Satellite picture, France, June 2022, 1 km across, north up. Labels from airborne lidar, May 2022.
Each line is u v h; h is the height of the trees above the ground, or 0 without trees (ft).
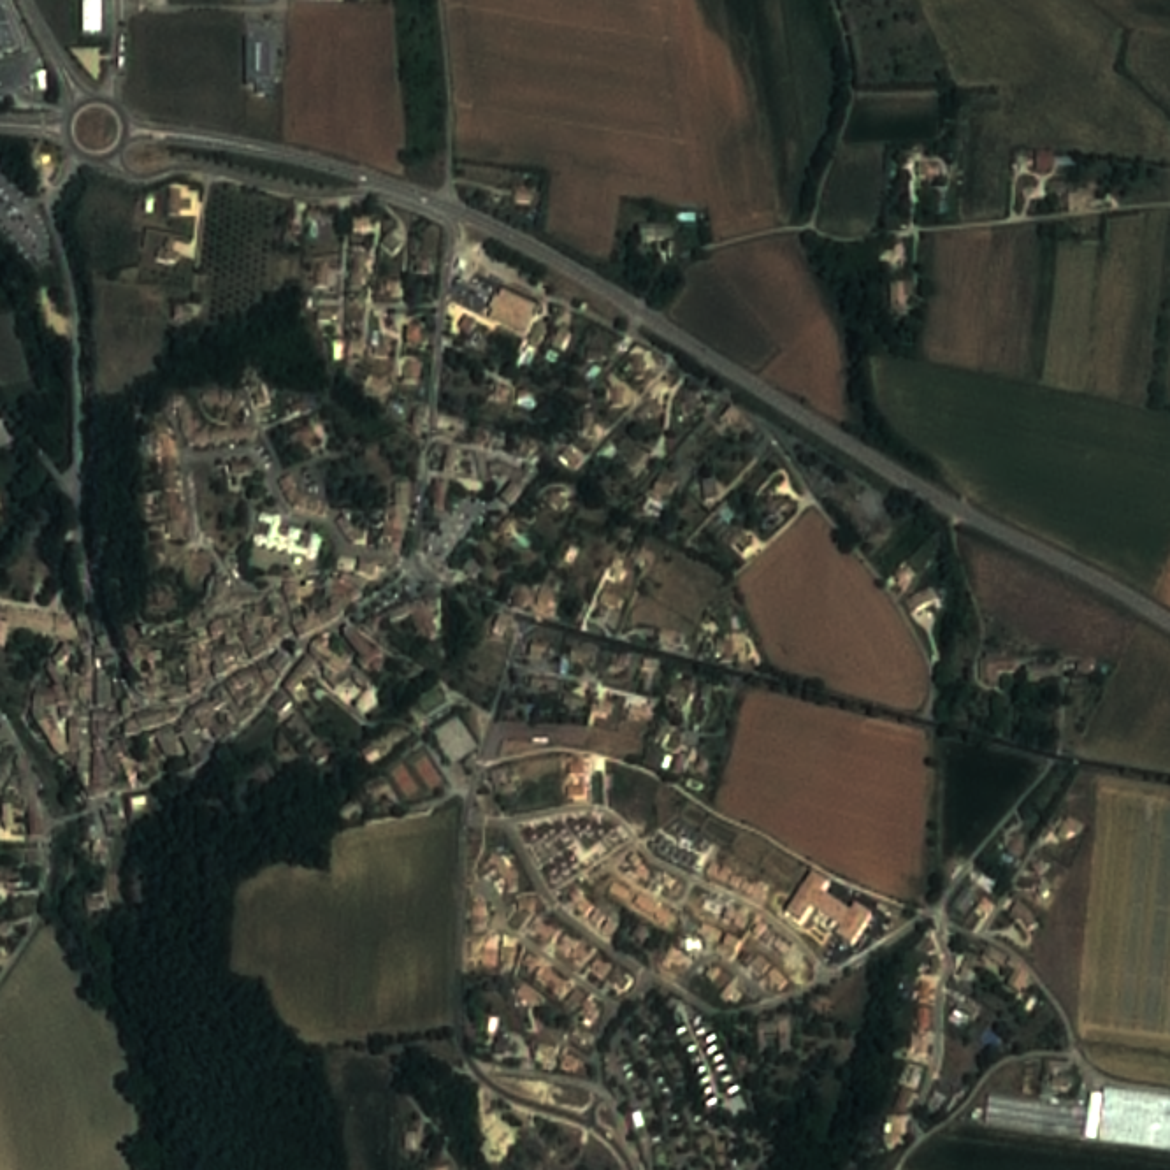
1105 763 0
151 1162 89
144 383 35
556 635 0
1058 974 0
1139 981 0
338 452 18
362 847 0
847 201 0
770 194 0
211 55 0
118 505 52
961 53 0
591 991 0
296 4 0
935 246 0
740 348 0
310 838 41
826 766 0
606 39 0
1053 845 0
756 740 0
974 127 0
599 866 0
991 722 49
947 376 0
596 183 0
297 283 18
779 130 0
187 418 0
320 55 0
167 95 0
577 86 0
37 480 68
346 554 0
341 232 34
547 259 0
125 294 0
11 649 43
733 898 0
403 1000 0
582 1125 0
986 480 0
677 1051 36
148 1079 42
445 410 21
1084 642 0
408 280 57
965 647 0
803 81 0
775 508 0
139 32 0
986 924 0
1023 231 0
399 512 0
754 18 0
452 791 0
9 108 34
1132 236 0
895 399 0
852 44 26
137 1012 64
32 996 0
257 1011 30
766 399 0
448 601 30
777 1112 32
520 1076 0
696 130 0
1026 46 0
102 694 0
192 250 0
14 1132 0
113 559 35
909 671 0
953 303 0
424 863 0
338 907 0
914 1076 0
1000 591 0
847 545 42
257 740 0
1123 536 0
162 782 22
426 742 30
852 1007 0
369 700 0
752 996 0
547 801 0
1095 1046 0
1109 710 0
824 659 0
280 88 0
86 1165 0
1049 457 0
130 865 64
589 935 0
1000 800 0
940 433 0
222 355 46
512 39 0
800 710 0
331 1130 58
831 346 0
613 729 0
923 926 37
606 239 0
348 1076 0
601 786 0
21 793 0
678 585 0
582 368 29
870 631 0
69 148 0
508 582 26
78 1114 0
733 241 0
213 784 77
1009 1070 0
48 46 0
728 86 0
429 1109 31
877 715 46
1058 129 0
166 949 51
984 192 0
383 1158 0
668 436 31
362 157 0
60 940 36
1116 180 35
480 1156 21
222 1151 30
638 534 29
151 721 0
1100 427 0
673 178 0
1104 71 0
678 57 0
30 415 59
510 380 52
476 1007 46
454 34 0
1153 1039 0
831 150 43
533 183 25
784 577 0
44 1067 0
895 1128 0
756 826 0
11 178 50
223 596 0
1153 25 0
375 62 0
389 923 0
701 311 0
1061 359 0
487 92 0
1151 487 0
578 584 0
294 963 0
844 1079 64
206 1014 57
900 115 0
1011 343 0
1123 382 0
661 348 32
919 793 0
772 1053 47
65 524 63
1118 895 0
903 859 0
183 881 73
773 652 0
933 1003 0
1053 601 0
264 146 0
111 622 89
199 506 0
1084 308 0
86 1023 0
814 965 0
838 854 0
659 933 28
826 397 0
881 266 25
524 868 0
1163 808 0
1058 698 56
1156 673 0
